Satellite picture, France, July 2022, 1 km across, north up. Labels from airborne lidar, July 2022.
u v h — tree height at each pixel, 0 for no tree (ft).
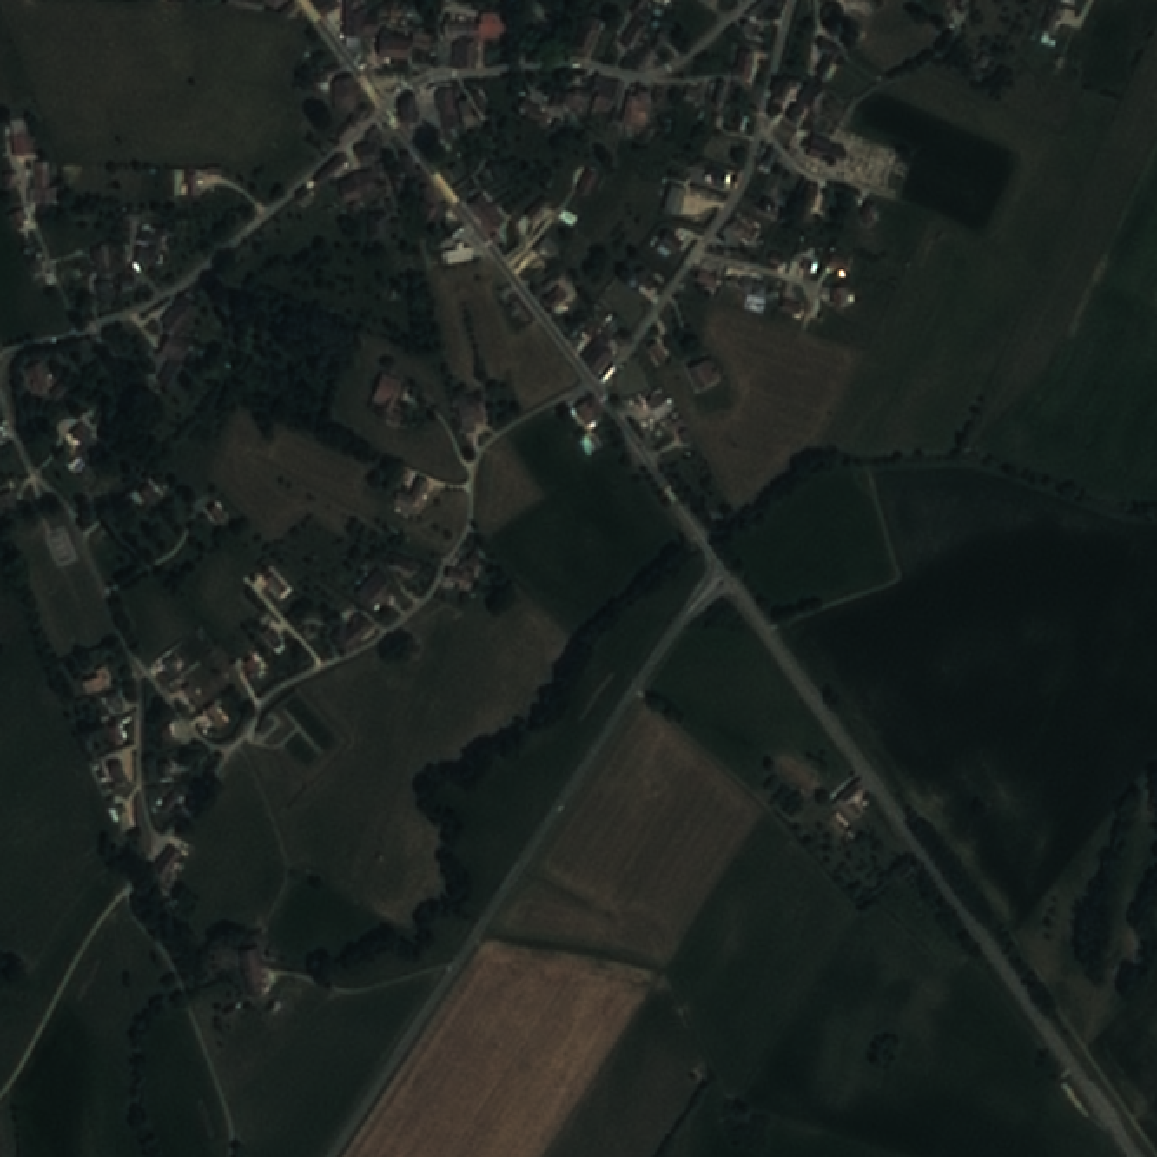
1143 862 0
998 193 0
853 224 0
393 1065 0
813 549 0
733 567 48
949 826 0
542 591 0
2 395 0
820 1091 0
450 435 0
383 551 22
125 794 0
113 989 0
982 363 0
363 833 0
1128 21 0
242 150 0
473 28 0
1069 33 0
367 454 47
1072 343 0
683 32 34
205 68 0
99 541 0
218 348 50
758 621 0
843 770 0
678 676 0
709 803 0
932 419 0
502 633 0
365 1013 0
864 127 0
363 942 31
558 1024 0
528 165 34
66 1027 0
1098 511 0
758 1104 0
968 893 52
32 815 0
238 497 0
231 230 27
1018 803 0
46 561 0
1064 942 0
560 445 0
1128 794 24
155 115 0
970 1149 0
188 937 61
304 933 0
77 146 0
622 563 0
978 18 23
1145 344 0
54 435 23
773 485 29
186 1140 0
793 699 0
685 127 0
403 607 0
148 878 33
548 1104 0
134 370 44
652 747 0
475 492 0
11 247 0
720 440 0
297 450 0
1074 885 0
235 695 20
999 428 0
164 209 19
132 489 23
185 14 0
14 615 0
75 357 45
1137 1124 0
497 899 0
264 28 0
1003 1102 0
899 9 0
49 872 0
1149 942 45
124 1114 0
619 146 0
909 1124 0
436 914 39
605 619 42
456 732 0
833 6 22
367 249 29
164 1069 0
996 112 0
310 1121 0
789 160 0
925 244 0
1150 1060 0
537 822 0
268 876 0
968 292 0
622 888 0
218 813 0
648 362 0
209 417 29
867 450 0
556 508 0
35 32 0
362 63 0
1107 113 0
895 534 0
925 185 0
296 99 0
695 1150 0
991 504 0
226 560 0
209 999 0
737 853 0
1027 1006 0
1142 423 0
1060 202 0
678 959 0
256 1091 0
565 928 0
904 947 0
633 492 0
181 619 0
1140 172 0
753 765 0
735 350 0
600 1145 0
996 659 0
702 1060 0
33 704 0
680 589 0
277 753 0
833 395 0
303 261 39
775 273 0
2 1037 0
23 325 0
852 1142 0
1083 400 0
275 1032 0
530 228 0
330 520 0
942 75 0
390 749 0
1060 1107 0
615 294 0
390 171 35
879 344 0
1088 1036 0
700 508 43
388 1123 0
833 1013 0
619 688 0
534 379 0
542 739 0
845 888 25
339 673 0
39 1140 0
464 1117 0
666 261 0
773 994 0
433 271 0
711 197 0
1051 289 0
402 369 0
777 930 0
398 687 0
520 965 0
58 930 0
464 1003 0
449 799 0
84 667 40
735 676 0
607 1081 0
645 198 0
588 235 0
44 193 0
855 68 0
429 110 0
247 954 0
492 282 0
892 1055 32
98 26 0
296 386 71
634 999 0
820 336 0
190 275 0
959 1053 0
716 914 0
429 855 0
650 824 0
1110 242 0
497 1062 0
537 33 91
